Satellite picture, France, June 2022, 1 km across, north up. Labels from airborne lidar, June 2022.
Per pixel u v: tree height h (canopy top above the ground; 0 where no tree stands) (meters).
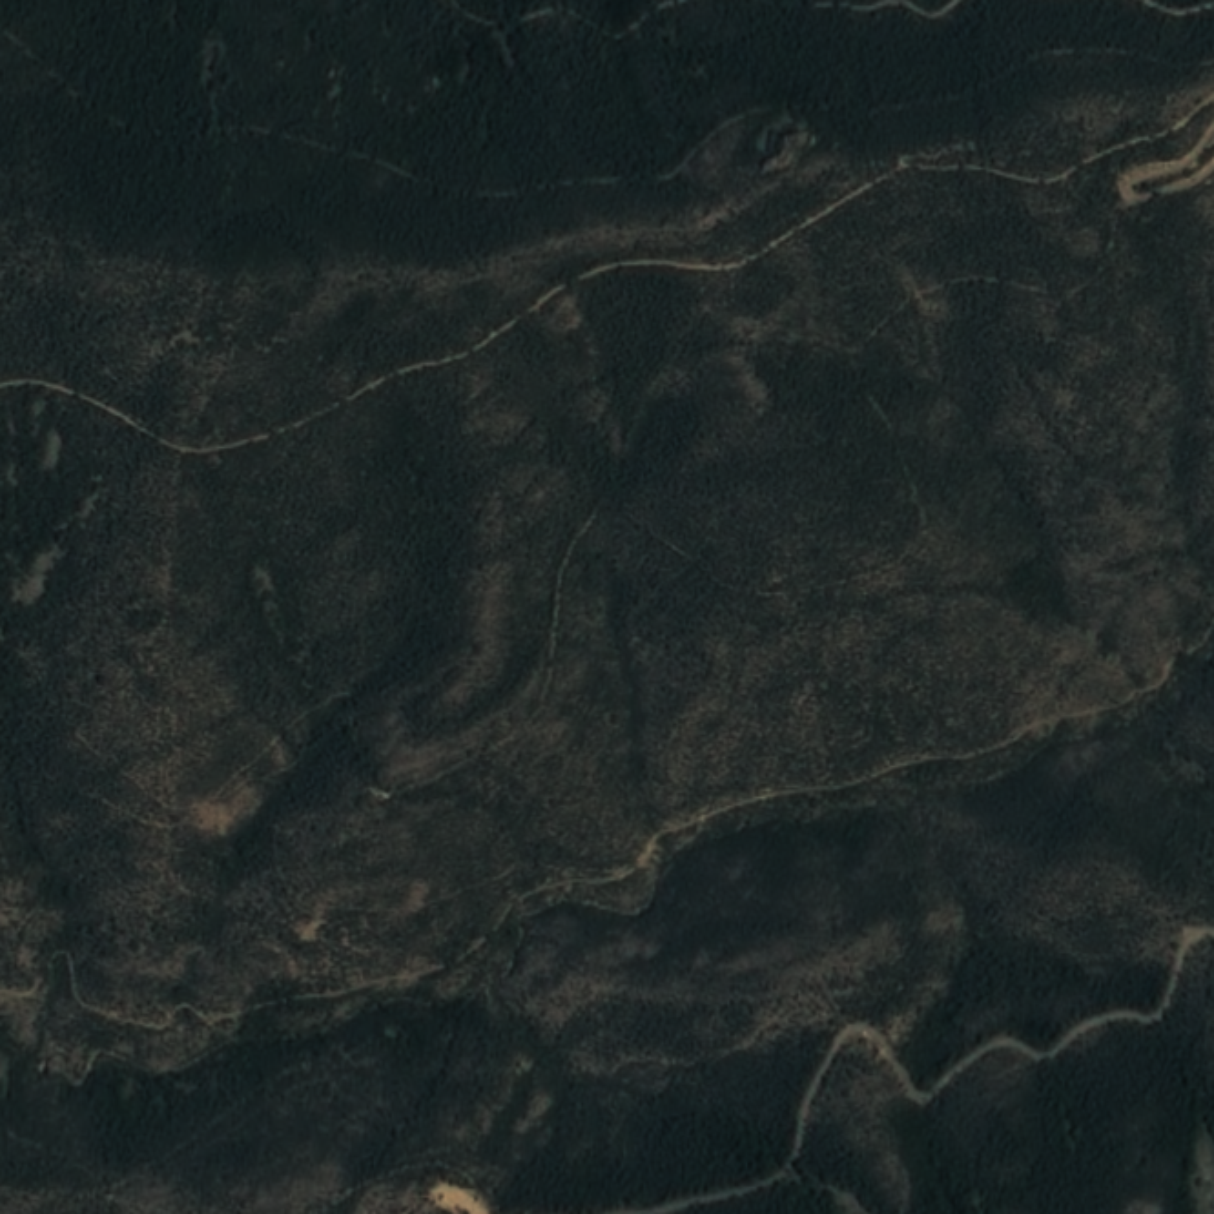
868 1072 7
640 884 0
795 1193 8
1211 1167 0
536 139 10
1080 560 0
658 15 8
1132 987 9
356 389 7
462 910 0
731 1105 7
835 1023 6
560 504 7
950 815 0
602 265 8
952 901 0
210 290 6
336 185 7
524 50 11
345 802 0
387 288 6
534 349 9
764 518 6
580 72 10
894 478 7
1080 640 0
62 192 9
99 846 7
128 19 11
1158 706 9
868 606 6
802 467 6
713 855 0
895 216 7
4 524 11
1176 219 7
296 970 0
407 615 7
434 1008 7
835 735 5
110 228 8
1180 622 0
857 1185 8
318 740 10
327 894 0
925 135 6
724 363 0
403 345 9
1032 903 7
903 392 9
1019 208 7
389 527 6
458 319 6
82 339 7
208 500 6
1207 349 6
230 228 7
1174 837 8
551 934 0
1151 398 9
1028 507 10
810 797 6
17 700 11
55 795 7
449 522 8
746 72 8
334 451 7
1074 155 6
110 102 9
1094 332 6
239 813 0
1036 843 7
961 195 7
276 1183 0
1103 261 7
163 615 5
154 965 0
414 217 10
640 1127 6
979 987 7
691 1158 7
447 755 0
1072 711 0
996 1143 8
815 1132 7
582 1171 9
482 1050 6
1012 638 0
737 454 6
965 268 7
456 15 9
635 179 9
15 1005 0
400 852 0
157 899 0
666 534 6
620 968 0
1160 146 7
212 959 0
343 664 7
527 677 8
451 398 7
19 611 11
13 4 7
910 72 7
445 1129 0
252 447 9
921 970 8
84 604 8
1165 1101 8
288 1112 0
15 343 8
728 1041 7
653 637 7
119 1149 8
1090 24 6
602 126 9
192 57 8
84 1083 6
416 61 6
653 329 6
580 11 8
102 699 5
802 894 0
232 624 7
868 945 0
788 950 0
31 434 13
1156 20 7
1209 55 6
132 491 7
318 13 7
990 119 7
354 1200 6
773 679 6
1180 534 0
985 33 9
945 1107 7
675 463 6
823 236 7
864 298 8
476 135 9
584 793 0
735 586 6
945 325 8
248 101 6
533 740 0
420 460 7
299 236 9
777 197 5
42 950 6
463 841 0
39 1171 6
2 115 9
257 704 7
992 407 8
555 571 6
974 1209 9
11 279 9
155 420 8
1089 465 5
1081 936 8
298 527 8
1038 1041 8
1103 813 6
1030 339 7
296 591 7
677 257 0
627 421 7
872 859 0
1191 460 7
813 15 9
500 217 6
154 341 8
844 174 6
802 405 8
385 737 0
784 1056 8
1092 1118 8
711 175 0
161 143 9
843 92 10
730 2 8
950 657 0
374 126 7
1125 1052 6
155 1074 6
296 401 7
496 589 0
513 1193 6
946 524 0
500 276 0
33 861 7
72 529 9
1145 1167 7
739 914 0
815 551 7
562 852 6
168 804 0
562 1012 0
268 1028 6
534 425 9
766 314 7
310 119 6
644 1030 7
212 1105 8
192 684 0
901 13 7
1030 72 7
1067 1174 10
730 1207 8
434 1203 0
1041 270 8
